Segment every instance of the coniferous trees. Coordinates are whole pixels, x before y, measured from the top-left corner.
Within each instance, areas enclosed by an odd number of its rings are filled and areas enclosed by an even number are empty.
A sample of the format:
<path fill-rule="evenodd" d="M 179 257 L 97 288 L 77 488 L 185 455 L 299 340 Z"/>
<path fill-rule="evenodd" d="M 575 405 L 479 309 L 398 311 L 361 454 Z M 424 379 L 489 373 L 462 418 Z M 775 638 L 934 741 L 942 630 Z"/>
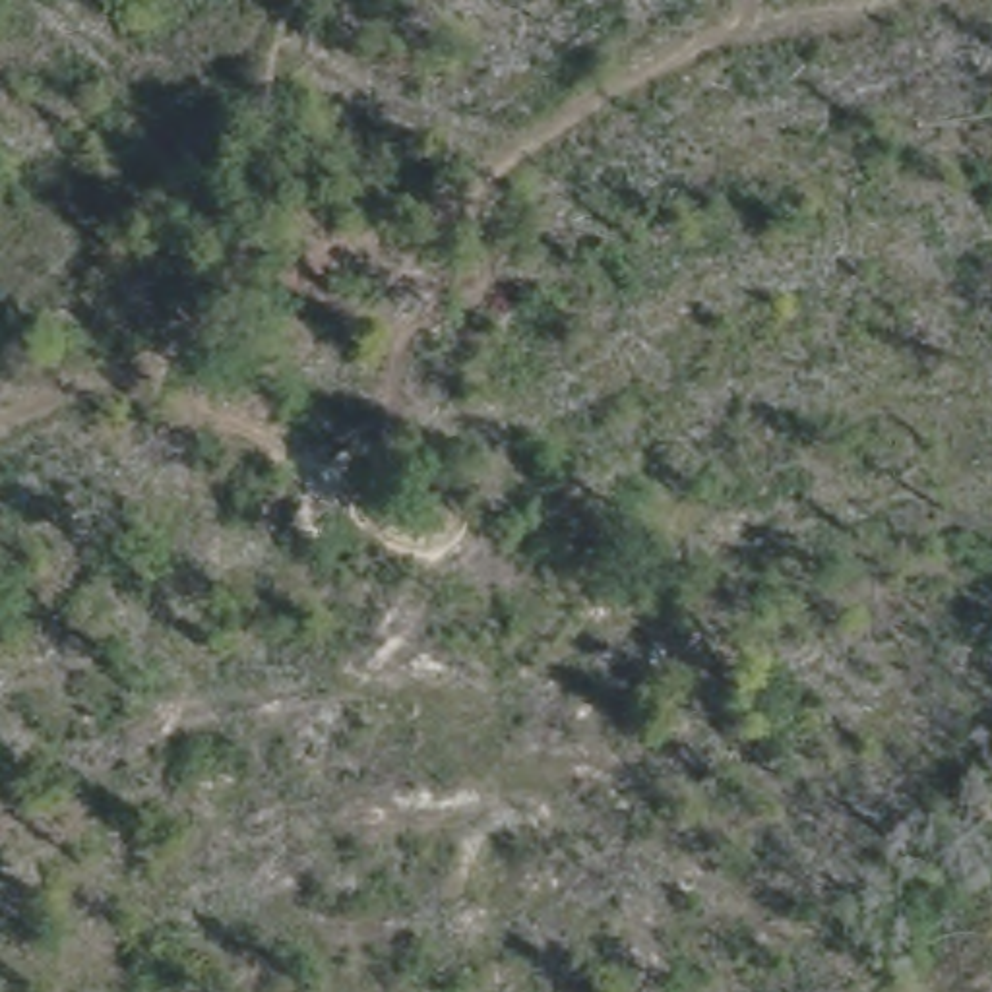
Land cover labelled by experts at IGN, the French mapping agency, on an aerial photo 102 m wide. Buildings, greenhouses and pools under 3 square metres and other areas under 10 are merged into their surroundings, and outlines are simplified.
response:
<path fill-rule="evenodd" d="M 0 992 L 992 992 L 992 0 L 0 0 Z"/>

